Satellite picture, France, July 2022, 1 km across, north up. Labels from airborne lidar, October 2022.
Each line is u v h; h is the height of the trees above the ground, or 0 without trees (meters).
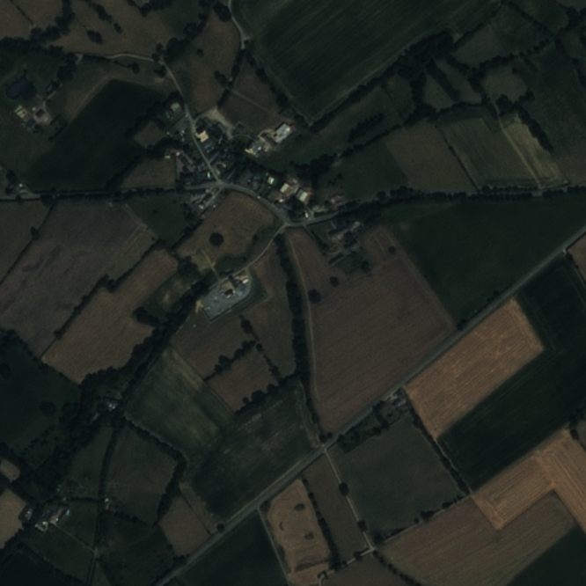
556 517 0
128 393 10
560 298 0
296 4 0
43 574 0
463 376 0
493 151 0
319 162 11
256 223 0
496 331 0
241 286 0
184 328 0
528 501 0
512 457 0
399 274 0
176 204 0
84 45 0
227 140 8
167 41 0
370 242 0
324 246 16
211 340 0
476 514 0
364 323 0
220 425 0
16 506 0
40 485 21
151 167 0
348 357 0
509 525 0
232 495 0
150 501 0
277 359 0
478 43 0
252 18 0
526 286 0
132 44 0
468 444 0
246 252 0
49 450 0
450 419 0
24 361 0
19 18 0
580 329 0
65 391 0
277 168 0
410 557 0
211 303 0
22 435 0
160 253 0
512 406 0
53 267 0
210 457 0
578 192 14
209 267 0
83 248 0
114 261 0
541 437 0
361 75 0
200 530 0
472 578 0
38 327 0
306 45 0
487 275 0
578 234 0
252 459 0
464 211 0
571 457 0
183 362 0
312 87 0
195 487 0
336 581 0
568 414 0
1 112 0
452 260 0
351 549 0
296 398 0
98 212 0
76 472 0
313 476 0
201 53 9
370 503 0
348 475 0
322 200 0
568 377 0
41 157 0
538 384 0
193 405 0
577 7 0
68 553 0
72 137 0
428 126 0
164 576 10
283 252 19
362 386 0
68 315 0
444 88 8
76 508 0
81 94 0
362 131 19
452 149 9
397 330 0
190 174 6
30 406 0
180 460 16
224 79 14
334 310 0
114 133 0
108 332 0
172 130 0
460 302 0
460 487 14
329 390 0
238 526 0
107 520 0
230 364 19
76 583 14
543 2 0
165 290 0
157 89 0
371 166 0
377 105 0
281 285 0
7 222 0
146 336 0
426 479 0
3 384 0
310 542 0
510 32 0
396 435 0
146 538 0
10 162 0
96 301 0
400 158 0
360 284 0
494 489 0
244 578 0
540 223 0
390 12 0
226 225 0
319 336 0
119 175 12
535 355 0
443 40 18
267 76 19
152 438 15
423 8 0
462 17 0
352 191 0
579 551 0
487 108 10
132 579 0
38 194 8
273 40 0
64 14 6
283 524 0
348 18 0
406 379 0
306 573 0
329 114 8
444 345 0
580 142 0
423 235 0
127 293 0
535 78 0
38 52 11
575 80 0
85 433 17
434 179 0
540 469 0
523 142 0
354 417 0
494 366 0
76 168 0
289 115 0
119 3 0
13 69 0
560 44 16
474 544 0
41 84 0
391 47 0
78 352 0
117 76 0
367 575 0
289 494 0
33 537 0
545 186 0
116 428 12
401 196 14
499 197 17
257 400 21
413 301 0
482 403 0
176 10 0
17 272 0
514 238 0
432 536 0
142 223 0
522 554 0
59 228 0
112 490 0
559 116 0
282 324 0
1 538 0
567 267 0
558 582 0
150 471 0
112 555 0
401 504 0
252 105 0
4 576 0
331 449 0
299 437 0
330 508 0
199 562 0
